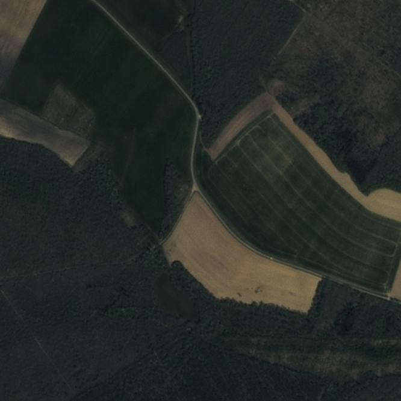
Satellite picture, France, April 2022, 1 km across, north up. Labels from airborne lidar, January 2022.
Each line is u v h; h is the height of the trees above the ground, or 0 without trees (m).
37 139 0
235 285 0
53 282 15
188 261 0
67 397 13
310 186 0
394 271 0
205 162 0
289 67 0
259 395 17
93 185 16
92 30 0
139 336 14
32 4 0
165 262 15
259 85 13
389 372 0
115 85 0
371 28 0
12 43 0
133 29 0
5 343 14
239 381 17
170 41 0
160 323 21
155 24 0
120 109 0
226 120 15
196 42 10
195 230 0
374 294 0
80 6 0
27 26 0
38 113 0
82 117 0
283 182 0
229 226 0
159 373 14
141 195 0
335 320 19
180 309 0
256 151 0
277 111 0
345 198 0
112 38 0
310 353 0
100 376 13
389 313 15
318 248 0
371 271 0
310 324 25
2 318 13
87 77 0
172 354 13
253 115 0
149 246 0
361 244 0
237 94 12
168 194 14
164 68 0
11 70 0
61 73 0
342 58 0
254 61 14
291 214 0
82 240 0
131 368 17
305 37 0
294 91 0
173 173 15
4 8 0
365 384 15
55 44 0
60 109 0
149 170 0
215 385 14
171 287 0
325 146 16
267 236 0
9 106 0
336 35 0
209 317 20
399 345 0
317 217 0
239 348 0
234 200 0
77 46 0
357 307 7
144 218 0
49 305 16
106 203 18
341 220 0
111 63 0
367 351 0
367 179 17
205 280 0
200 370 16
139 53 0
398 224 0
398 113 0
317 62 0
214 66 9
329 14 0
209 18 11
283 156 0
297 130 0
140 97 0
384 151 16
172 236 0
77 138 0
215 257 0
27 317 13
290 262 0
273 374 19
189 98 0
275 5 13
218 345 0
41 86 0
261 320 23
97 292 17
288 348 0
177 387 14
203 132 9
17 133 0
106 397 17
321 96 20
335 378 0
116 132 0
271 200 0
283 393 17
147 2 0
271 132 0
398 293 0
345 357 0
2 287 8
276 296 0
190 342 16
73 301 12
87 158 0
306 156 0
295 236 0
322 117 18
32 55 0
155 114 0
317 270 0
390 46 0
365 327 25
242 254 0
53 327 12
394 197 0
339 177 0
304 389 18
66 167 11
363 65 0
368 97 0
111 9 0
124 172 0
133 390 15
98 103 0
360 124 0
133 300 15
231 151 0
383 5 0
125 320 16
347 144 20
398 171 20
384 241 0
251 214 0
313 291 0
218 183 0
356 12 0
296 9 13
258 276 0
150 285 15
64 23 0
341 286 14
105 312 18
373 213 0
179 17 0
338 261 0
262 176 0
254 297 0
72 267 7
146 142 0
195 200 0
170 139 0
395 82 0
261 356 0
